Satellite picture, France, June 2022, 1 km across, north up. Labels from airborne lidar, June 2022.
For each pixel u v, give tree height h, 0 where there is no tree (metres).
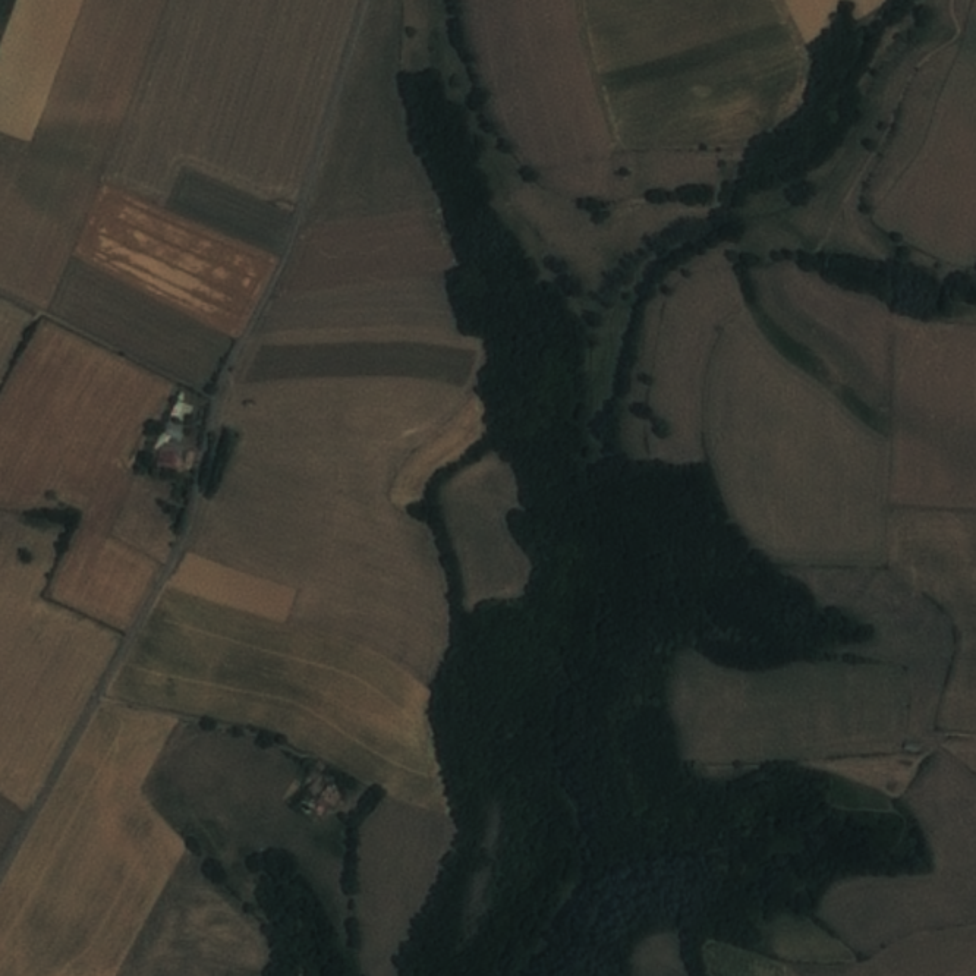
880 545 0
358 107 0
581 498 27
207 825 0
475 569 0
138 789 0
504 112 0
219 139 0
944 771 0
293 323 0
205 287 0
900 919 0
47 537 0
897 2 15
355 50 0
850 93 22
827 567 0
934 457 0
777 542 0
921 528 0
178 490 7
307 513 0
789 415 0
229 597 0
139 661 0
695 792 10
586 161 0
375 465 0
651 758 13
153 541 0
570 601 13
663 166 0
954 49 0
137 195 0
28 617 0
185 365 0
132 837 0
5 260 0
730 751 0
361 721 0
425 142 20
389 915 0
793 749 0
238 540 0
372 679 0
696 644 9
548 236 0
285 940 19
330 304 0
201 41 0
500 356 16
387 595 0
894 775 0
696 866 34
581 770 29
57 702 0
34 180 0
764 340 0
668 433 12
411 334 0
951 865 0
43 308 0
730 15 0
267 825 0
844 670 0
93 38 0
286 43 0
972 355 0
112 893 0
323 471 0
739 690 0
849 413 0
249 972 0
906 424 0
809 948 0
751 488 0
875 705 0
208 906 0
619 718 15
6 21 0
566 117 0
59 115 0
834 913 0
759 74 0
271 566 0
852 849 18
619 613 8
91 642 0
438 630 0
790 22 0
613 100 0
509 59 0
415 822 0
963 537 0
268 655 0
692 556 8
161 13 0
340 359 0
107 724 0
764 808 8
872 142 15
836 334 0
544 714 20
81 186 0
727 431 0
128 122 0
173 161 0
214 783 0
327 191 0
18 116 0
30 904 0
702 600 11
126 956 0
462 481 0
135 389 0
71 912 0
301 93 0
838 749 0
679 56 0
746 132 0
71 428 0
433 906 15
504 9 0
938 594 0
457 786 19
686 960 15
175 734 0
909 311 23
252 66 0
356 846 15
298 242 0
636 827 12
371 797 8
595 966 33
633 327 13
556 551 16
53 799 0
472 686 17
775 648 15
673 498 10
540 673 16
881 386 0
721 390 0
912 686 0
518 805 16
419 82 22
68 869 0
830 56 22
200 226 0
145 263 0
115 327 0
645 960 0
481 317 24
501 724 19
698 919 29
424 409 0
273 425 0
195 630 0
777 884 23
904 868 15
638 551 11
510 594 0
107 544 0
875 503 0
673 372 0
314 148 0
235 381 0
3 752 0
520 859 15
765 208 0
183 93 0
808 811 10
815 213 0
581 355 24
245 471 0
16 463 0
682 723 0
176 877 0
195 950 0
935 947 0
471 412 0
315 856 0
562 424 21
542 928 10
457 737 18
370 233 0
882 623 0
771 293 0
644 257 21
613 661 10
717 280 0
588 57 0
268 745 13
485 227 23
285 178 0
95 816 0
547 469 17
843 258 22
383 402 0
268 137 0
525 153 0
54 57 0
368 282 0
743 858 18
